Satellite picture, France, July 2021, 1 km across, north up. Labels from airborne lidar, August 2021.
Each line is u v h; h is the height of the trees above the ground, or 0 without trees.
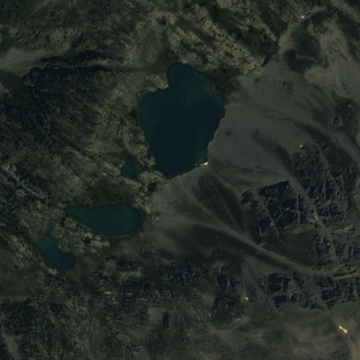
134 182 0
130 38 0
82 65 0
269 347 0
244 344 0
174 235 0
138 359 0
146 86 0
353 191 0
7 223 9
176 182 0
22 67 0
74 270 0
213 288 0
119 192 0
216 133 0
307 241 0
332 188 0
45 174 0
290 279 0
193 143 0
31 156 0
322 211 0
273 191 0
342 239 0
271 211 0
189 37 0
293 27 0
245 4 0
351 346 0
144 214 0
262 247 0
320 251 0
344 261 0
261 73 0
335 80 0
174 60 0
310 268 0
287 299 0
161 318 0
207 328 0
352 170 0
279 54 0
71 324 0
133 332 0
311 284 0
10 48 0
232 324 0
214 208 0
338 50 0
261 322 0
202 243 0
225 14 0
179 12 0
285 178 0
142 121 0
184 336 0
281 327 0
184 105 0
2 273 0
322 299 0
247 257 0
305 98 0
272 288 0
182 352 0
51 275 11
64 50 0
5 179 0
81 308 0
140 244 0
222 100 0
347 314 0
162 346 0
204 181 0
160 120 0
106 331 0
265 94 0
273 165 0
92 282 0
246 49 0
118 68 0
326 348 0
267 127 0
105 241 0
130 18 0
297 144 0
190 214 0
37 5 0
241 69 0
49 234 0
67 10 0
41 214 0
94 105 0
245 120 0
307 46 0
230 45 0
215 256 0
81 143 0
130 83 0
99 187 0
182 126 0
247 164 0
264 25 0
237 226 0
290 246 0
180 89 0
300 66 0
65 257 0
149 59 0
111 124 0
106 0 0
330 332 0
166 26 0
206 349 0
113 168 0
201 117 0
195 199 0
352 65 0
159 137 0
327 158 0
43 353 0
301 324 0
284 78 0
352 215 0
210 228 0
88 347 0
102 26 0
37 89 0
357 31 0
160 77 0
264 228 0
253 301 0
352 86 0
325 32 0
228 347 0
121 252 0
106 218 0
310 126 0
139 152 0
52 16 0
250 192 0
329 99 0
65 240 0
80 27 0
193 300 0
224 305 0
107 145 0
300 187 0
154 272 0
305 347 0
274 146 0
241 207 0
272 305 0
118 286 0
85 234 0
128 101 0
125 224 0
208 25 0
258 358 0
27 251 0
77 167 0
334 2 0
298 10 0
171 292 0
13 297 0
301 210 0
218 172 0
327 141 0
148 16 0
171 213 0
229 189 0
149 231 0
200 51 0
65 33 0
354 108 0
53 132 6
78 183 0
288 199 0
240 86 0
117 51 0
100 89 0
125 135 0
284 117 0
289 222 0
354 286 0
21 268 0
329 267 0
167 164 0
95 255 0
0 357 12
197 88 0
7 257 0
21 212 0
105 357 0
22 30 0
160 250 0
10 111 7
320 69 0
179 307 0
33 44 0
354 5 0
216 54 0
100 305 0
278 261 0
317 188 0
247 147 0
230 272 0
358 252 0
